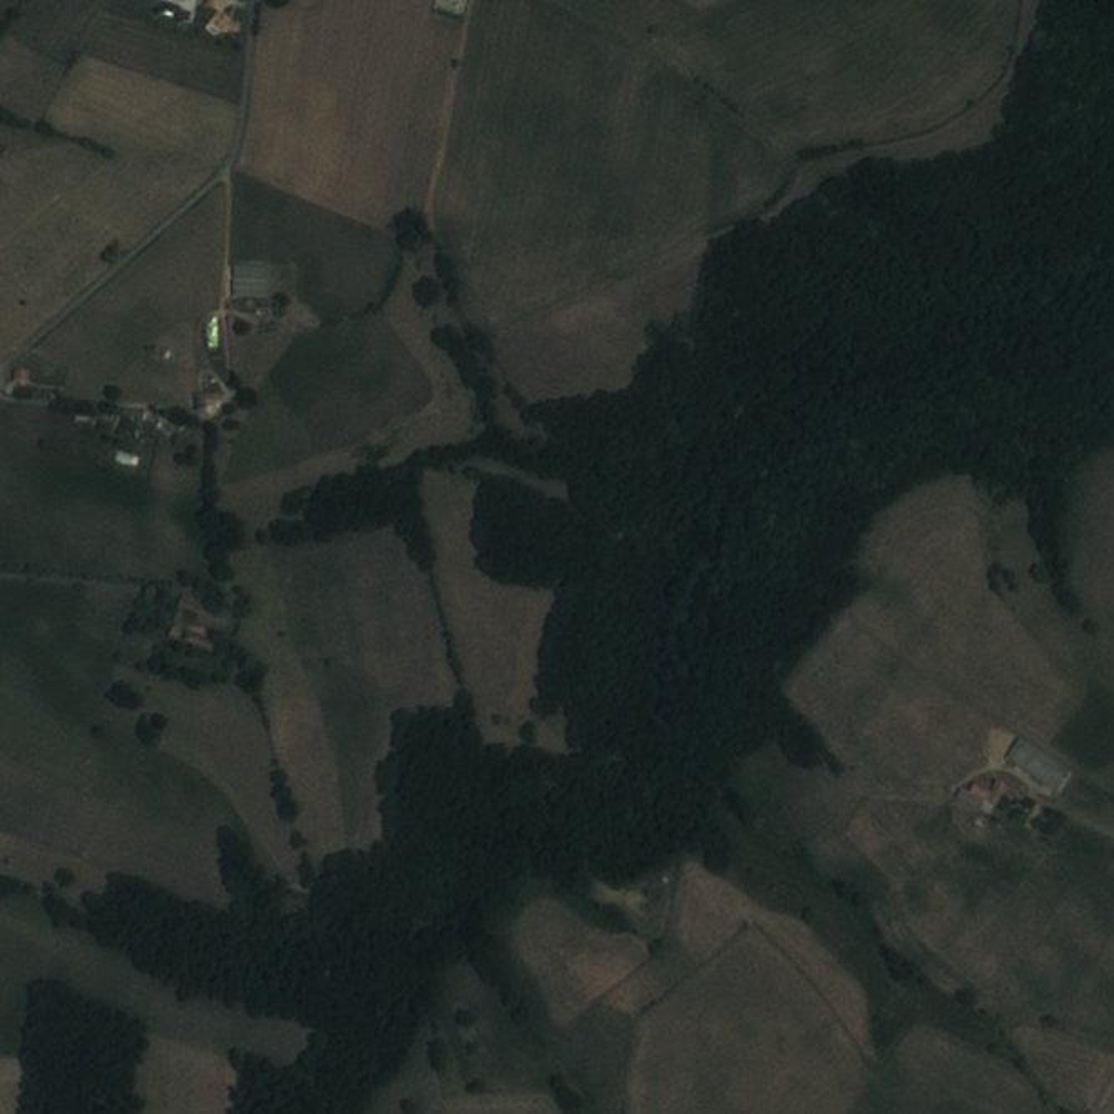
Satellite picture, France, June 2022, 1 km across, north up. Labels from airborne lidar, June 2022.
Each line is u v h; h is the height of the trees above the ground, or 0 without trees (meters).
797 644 10
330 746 0
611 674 18
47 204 0
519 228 0
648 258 0
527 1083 0
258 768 0
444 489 0
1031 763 0
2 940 0
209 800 0
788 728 17
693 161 0
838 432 17
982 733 0
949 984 0
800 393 26
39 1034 21
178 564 0
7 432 0
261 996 22
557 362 0
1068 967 0
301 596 0
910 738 0
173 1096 0
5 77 0
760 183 0
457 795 25
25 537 0
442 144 0
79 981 0
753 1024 0
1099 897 0
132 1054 18
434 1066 13
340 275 0
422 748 14
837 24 0
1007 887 0
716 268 16
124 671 0
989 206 14
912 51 0
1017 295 22
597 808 10
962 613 0
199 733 0
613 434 14
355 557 0
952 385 20
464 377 16
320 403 0
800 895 0
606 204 0
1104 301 30
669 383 6
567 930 0
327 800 0
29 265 0
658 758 13
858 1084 0
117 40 0
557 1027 0
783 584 18
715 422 16
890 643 0
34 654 0
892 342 24
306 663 0
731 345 19
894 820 0
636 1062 0
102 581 7
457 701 12
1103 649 0
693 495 24
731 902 0
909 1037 0
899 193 11
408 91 0
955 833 0
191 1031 0
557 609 14
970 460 14
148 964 18
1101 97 16
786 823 0
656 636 15
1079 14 15
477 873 21
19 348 0
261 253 0
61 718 0
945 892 0
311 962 25
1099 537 0
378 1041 21
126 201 0
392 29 0
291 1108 18
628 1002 0
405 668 0
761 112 0
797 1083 0
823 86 0
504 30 0
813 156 11
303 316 0
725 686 19
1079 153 19
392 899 14
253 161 0
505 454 18
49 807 0
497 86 0
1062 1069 0
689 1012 0
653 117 0
